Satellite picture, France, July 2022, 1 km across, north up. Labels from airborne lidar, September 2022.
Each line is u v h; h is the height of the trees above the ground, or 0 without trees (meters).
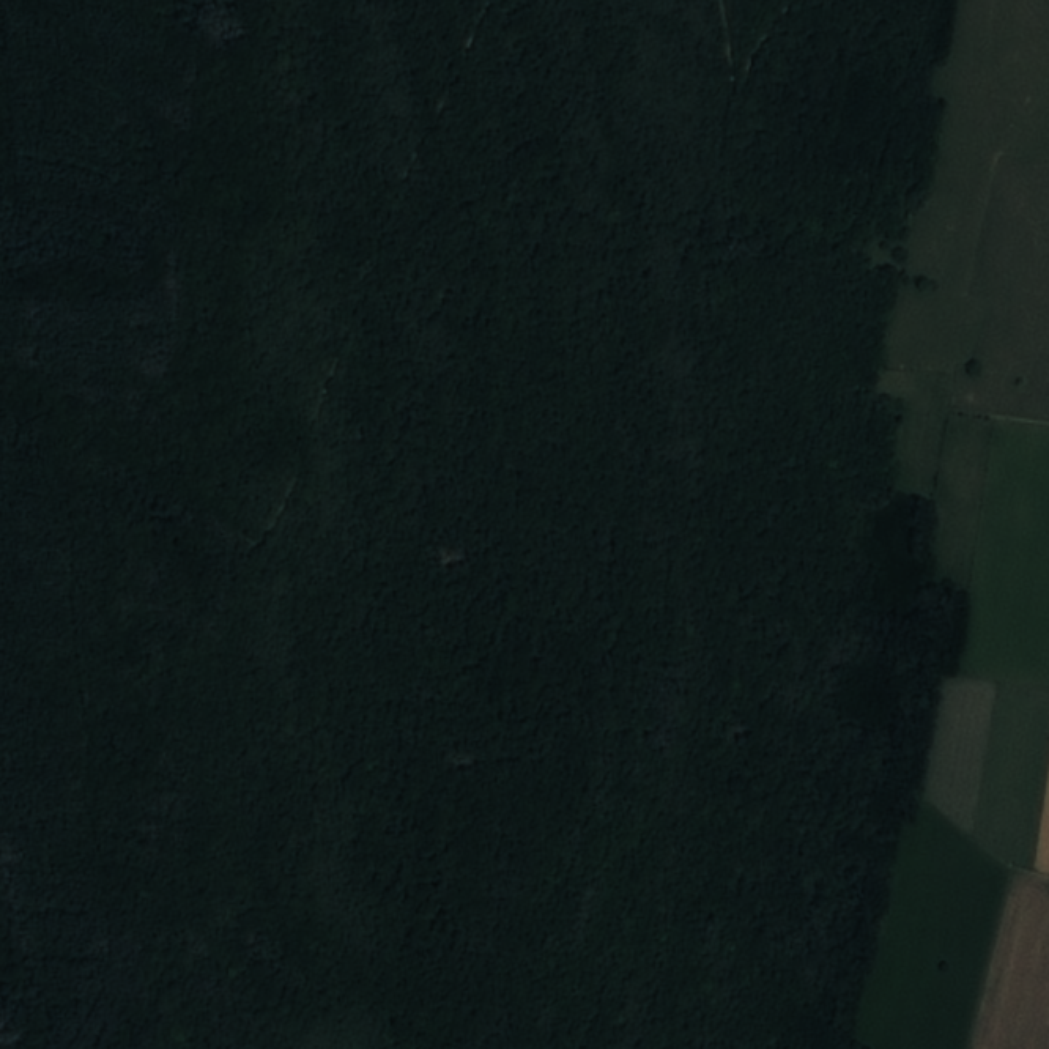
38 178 21
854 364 13
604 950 12
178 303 14
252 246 12
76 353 16
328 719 21
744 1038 16
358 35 18
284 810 13
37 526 12
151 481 20
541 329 14
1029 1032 0
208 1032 10
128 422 15
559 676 21
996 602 0
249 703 13
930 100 18
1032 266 0
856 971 28
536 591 15
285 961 14
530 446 15
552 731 17
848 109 12
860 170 18
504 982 17
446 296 5
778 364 11
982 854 0
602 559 24
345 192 20
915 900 0
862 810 17
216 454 14
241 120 15
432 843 19
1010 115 0
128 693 14
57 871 12
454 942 17
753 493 17
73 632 8
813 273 11
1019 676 0
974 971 0
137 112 17
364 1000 15
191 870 9
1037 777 0
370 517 17
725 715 18
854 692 15
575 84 8
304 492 12
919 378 0
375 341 18
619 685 19
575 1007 13
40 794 15
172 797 12
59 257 28
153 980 10
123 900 10
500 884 18
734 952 12
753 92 17
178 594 13
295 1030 8
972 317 0
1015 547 0
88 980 17
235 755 13
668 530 10
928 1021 0
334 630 17
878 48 18
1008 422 0
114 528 11
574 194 14
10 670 16
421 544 14
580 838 14
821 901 22
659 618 14
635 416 14
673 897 10
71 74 14
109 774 11
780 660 15
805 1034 16
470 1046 21
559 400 16
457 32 13
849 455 12
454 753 20
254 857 10
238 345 19
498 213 18
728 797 17
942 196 0
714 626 17
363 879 15
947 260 0
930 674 26
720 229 23
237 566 18
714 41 5
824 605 15
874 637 23
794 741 14
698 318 13
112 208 16
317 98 14
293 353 9
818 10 18
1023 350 0
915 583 12
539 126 17
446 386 14
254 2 19
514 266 11
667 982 9
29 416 16
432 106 18
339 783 18
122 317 19
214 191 22
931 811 0
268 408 16
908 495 8
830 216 17
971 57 0
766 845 17
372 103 16
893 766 26
